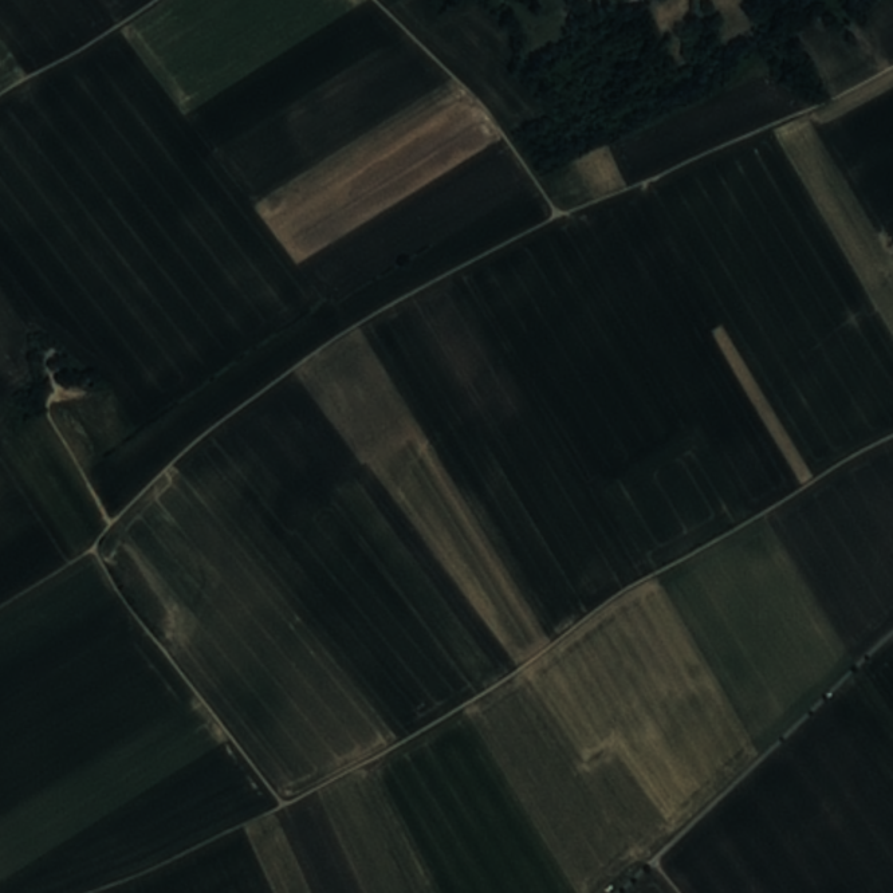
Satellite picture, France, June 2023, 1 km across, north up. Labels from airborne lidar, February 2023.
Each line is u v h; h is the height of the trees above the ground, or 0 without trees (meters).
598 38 8
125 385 0
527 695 0
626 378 0
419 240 0
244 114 0
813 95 7
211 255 0
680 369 0
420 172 0
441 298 0
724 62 11
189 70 0
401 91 0
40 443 0
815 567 0
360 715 0
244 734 0
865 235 0
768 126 0
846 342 0
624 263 0
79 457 0
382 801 0
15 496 0
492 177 0
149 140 0
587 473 0
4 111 0
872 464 0
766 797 0
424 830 0
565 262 0
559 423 0
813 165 0
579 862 0
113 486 0
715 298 0
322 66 0
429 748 0
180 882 0
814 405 0
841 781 0
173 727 0
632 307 0
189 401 0
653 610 0
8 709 0
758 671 0
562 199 0
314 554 0
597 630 0
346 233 0
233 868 0
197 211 0
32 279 0
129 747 0
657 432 0
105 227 0
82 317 0
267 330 0
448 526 0
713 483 0
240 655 0
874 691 0
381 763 0
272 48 0
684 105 7
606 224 0
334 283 0
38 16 0
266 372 0
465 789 0
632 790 0
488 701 0
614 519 0
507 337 0
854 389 0
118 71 0
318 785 0
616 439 0
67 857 0
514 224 0
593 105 7
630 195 0
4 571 0
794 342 0
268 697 0
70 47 0
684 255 0
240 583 0
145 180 0
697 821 0
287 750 0
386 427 0
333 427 0
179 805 0
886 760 0
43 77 0
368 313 0
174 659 0
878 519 0
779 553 0
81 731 0
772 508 0
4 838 0
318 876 0
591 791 0
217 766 0
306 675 0
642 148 0
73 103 0
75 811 0
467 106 0
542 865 0
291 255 0
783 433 0
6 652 0
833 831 0
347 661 0
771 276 0
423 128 0
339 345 0
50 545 0
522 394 0
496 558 0
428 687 0
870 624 0
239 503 0
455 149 0
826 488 0
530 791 0
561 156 18
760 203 0
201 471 0
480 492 0
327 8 0
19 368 0
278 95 0
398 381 0
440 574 0
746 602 0
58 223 0
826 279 0
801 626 0
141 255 0
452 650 0
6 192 0
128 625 0
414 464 0
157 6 0
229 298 0
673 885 0
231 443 0
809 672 0
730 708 0
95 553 0
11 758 0
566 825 0
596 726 0
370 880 0
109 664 0
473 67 0
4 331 0
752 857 0
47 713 0
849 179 0
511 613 0
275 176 0
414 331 0
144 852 0
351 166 0
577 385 0
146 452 0
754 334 0
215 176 0
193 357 0
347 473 0
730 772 0
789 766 0
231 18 0
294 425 0
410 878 0
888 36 0
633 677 0
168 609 0
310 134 0
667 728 0
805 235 0
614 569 0
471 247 0
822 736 0
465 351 0
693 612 0
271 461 0
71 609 0
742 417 0
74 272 0
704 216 0
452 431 0
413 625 0
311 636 0
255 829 0
